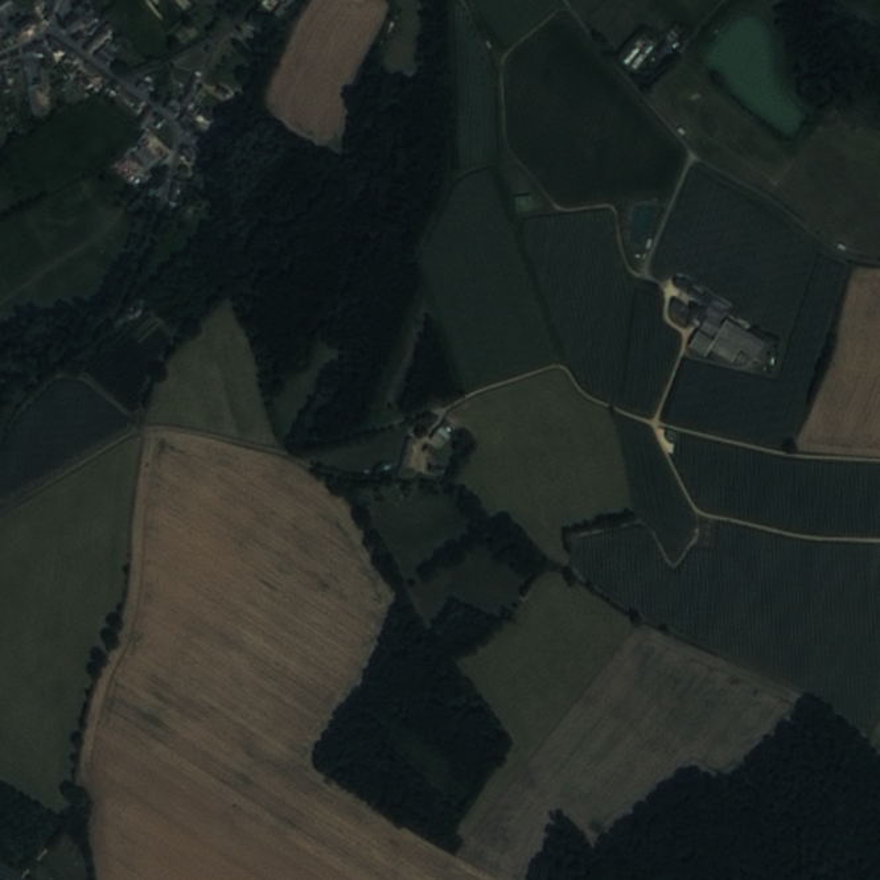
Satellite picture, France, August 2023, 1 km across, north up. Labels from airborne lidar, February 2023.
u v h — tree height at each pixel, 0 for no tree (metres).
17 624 0
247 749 0
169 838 0
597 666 0
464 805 7
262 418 0
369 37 0
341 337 15
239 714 0
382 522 0
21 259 0
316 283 15
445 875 0
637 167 0
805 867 14
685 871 23
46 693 0
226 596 0
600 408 0
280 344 16
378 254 17
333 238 15
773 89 0
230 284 18
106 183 7
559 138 0
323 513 0
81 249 0
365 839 0
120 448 0
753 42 0
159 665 0
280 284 15
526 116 0
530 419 0
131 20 0
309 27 0
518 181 0
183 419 0
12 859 9
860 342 0
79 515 0
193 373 0
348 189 19
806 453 0
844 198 0
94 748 0
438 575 13
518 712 0
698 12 0
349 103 21
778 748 18
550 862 17
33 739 0
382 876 0
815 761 21
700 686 0
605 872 21
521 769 0
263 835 0
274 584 0
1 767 0
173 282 12
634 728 0
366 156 19
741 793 22
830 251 0
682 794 22
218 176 25
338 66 0
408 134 15
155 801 0
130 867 0
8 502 0
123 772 0
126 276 22
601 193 0
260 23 9
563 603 0
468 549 16
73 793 16
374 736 25
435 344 14
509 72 0
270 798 0
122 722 0
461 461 11
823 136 0
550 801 0
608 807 0
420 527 0
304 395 0
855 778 17
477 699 13
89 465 0
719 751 0
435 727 20
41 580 0
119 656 0
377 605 0
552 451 0
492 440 0
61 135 0
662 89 0
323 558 0
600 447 0
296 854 0
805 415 0
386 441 0
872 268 0
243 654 0
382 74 15
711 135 0
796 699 0
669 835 22
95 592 0
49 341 22
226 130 15
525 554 20
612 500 0
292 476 0
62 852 0
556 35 0
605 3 0
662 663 0
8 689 0
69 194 0
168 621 0
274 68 12
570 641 0
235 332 0
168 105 0
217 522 0
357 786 21
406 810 22
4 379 12
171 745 0
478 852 0
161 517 0
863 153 0
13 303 0
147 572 0
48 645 0
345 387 13
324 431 16
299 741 0
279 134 25
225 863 0
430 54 21
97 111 0
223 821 0
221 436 0
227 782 0
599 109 0
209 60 0
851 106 20
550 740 0
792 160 0
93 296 0
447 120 11
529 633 0
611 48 11
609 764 0
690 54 0
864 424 0
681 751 0
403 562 0
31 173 0
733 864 22
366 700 21
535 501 0
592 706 0
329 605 0
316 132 0
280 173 12
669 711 0
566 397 0
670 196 0
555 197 0
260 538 0
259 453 0
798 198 0
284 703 0
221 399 0
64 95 0
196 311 7
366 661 0
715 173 0
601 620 0
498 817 0
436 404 0
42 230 0
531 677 0
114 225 0
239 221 15
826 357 9
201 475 0
